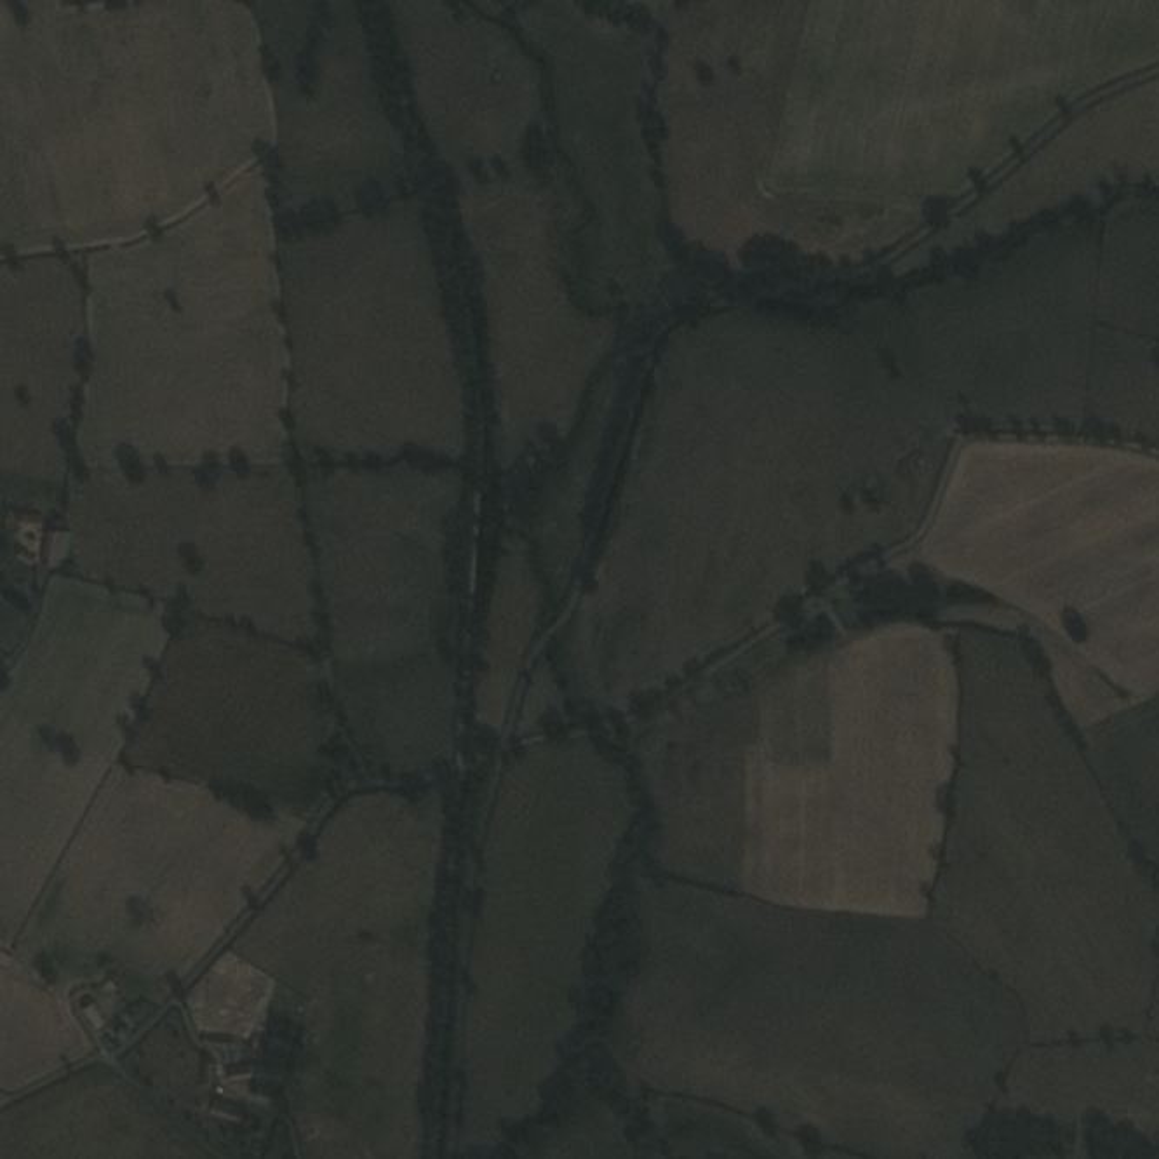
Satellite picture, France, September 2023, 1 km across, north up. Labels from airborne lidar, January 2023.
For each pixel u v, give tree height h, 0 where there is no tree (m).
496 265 0
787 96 0
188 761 0
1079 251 0
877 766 0
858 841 0
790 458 0
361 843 0
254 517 0
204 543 0
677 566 0
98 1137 0
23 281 0
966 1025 0
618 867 18
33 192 0
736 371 0
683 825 0
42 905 0
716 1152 0
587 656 0
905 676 0
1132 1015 0
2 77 0
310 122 0
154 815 0
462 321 19
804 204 0
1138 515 0
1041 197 0
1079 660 0
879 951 0
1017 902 0
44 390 0
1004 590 0
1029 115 0
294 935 0
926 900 11
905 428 0
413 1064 0
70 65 0
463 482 9
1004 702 0
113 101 0
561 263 0
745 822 0
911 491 0
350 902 0
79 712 0
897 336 0
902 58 0
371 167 0
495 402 12
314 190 0
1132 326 0
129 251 0
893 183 0
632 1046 0
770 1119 15
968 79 0
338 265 0
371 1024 0
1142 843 0
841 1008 0
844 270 15
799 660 0
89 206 0
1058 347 0
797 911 0
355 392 0
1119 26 0
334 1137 0
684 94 0
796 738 0
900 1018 0
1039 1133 17
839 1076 0
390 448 0
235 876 0
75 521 0
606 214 0
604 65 0
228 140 0
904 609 9
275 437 0
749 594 0
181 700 0
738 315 0
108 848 0
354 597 0
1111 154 0
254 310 0
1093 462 0
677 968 0
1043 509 0
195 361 0
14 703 0
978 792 0
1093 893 0
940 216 17
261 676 0
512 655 0
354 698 0
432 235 15
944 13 0
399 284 0
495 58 0
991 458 0
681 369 0
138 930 0
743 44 0
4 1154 0
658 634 0
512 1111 0
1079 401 0
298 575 0
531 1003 0
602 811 0
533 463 20
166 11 0
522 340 0
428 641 0
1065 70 0
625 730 16
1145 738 0
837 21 0
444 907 15
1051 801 0
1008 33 0
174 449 0
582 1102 0
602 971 19
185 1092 0
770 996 0
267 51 10
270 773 0
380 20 16
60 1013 0
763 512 0
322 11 15
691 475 0
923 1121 0
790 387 0
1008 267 0
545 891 0
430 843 0
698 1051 0
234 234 0
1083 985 0
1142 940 0
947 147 0
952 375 0
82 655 0
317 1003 0
